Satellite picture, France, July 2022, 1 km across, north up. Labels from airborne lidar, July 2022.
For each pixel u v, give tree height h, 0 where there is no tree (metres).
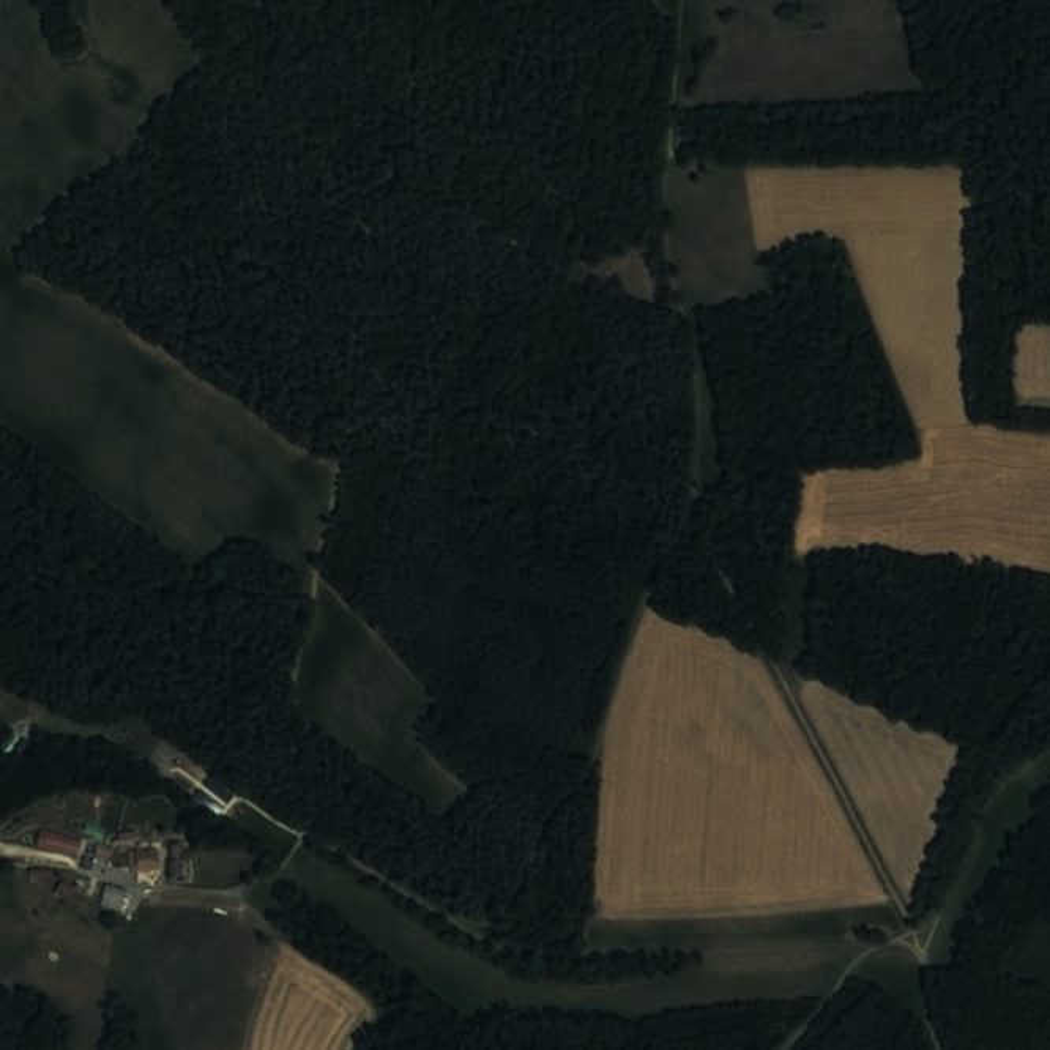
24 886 0
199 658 24
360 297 22
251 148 24
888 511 0
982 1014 17
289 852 0
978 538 0
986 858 0
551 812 19
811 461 19
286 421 26
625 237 24
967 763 18
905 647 16
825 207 0
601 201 27
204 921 0
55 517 26
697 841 0
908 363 0
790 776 0
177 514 0
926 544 0
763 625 18
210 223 20
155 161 18
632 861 0
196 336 26
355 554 15
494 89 14
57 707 24
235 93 17
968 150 17
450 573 19
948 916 0
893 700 23
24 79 0
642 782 0
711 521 25
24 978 0
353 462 13
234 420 0
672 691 0
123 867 0
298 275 30
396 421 24
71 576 30
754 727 0
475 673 21
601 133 22
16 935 0
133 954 0
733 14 13
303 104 27
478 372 20
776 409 18
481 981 0
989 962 23
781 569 21
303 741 24
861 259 0
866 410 23
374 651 0
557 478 15
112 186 24
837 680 18
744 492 20
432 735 16
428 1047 14
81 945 0
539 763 19
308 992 0
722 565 23
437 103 19
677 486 20
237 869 0
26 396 0
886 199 0
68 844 0
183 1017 0
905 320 0
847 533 0
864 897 0
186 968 0
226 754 27
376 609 17
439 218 23
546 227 24
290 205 21
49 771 16
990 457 0
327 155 15
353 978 19
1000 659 18
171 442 0
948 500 0
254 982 0
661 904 0
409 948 0
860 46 0
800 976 0
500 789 25
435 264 26
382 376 10
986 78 22
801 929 0
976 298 25
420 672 17
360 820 25
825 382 15
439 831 26
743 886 0
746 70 0
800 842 0
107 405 0
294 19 19
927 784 0
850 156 18
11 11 0
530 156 18
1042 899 15
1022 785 0
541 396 8
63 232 23
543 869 14
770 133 17
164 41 0
